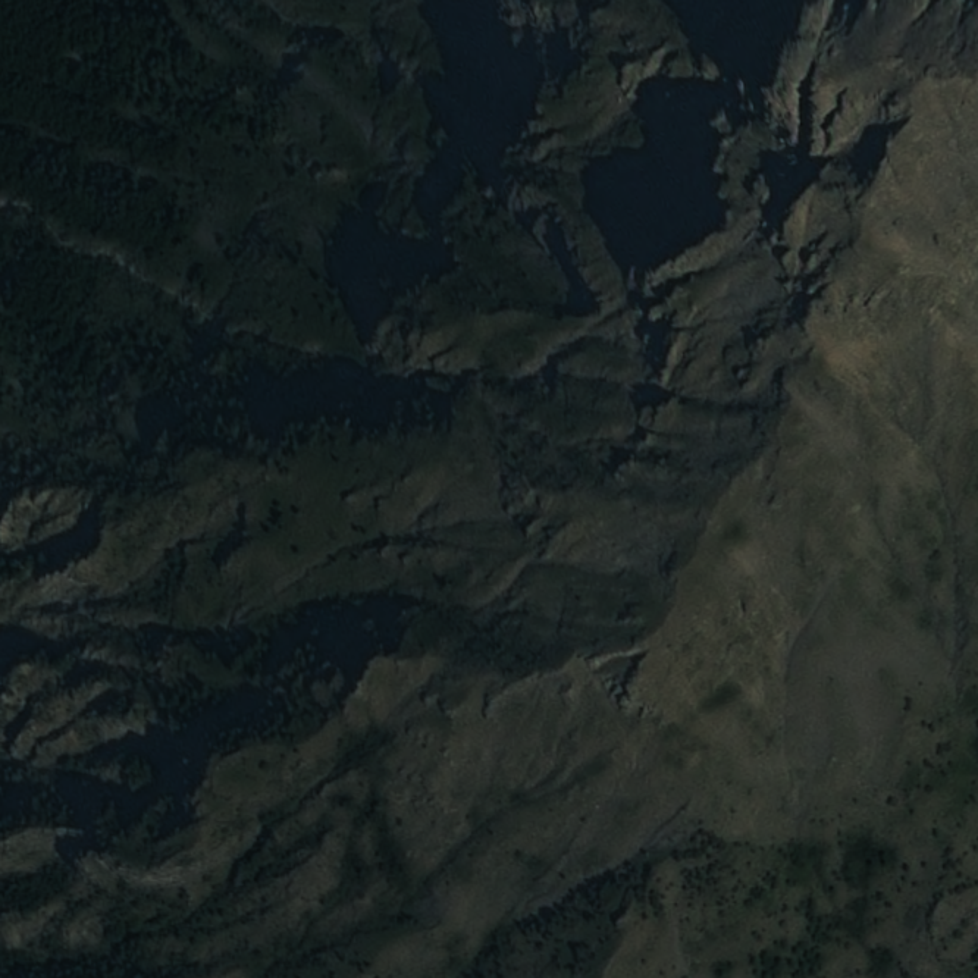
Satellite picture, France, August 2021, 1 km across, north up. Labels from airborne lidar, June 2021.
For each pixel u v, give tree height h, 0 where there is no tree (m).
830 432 0
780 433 0
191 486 0
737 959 0
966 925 12
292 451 10
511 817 0
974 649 0
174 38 10
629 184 0
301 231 0
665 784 0
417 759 0
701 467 0
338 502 0
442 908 0
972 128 0
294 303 0
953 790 0
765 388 0
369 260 0
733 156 0
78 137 6
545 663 0
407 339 0
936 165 0
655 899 10
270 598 0
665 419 0
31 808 6
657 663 0
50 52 19
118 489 6
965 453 0
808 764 0
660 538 0
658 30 0
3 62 17
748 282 0
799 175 0
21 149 18
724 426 0
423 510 0
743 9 0
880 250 0
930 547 0
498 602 0
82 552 8
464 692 0
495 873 0
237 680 0
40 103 16
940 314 0
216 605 0
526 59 0
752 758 0
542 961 0
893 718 0
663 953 0
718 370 0
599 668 0
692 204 0
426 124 0
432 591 0
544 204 0
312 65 0
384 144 0
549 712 0
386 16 0
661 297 0
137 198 16
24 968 7
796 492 0
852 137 0
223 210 0
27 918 8
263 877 10
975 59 0
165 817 0
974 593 0
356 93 0
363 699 0
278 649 0
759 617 0
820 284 0
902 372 0
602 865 0
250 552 0
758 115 0
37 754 7
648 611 0
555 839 0
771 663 0
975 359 0
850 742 0
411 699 0
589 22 0
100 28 16
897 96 0
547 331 0
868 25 0
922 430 0
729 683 0
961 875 8
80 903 6
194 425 14
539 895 0
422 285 9
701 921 0
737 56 0
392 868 6
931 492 0
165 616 6
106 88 15
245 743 9
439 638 0
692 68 0
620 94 0
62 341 13
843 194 0
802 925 0
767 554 0
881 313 0
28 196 12
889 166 0
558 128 0
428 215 0
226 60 0
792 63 0
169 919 8
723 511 0
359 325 0
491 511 0
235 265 8
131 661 0
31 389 11
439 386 0
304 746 0
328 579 0
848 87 0
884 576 0
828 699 0
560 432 0
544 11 0
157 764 8
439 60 0
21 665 8
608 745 0
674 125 0
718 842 11
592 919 12
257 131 16
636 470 0
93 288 6
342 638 0
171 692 7
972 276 0
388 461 0
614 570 0
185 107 15
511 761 0
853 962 0
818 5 0
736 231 0
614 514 0
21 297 24
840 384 0
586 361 0
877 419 0
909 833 0
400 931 0
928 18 0
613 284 0
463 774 0
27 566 11
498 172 0
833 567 0
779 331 0
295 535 0
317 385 0
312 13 0
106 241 6
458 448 0
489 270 0
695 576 0
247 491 0
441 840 0
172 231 15
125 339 9
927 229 0
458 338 0
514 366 0
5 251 7
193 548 0
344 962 13
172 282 0
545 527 0
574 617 0
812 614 0
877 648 0
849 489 0
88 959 10
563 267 0
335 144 0
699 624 0
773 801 0
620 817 0
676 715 0
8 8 18
